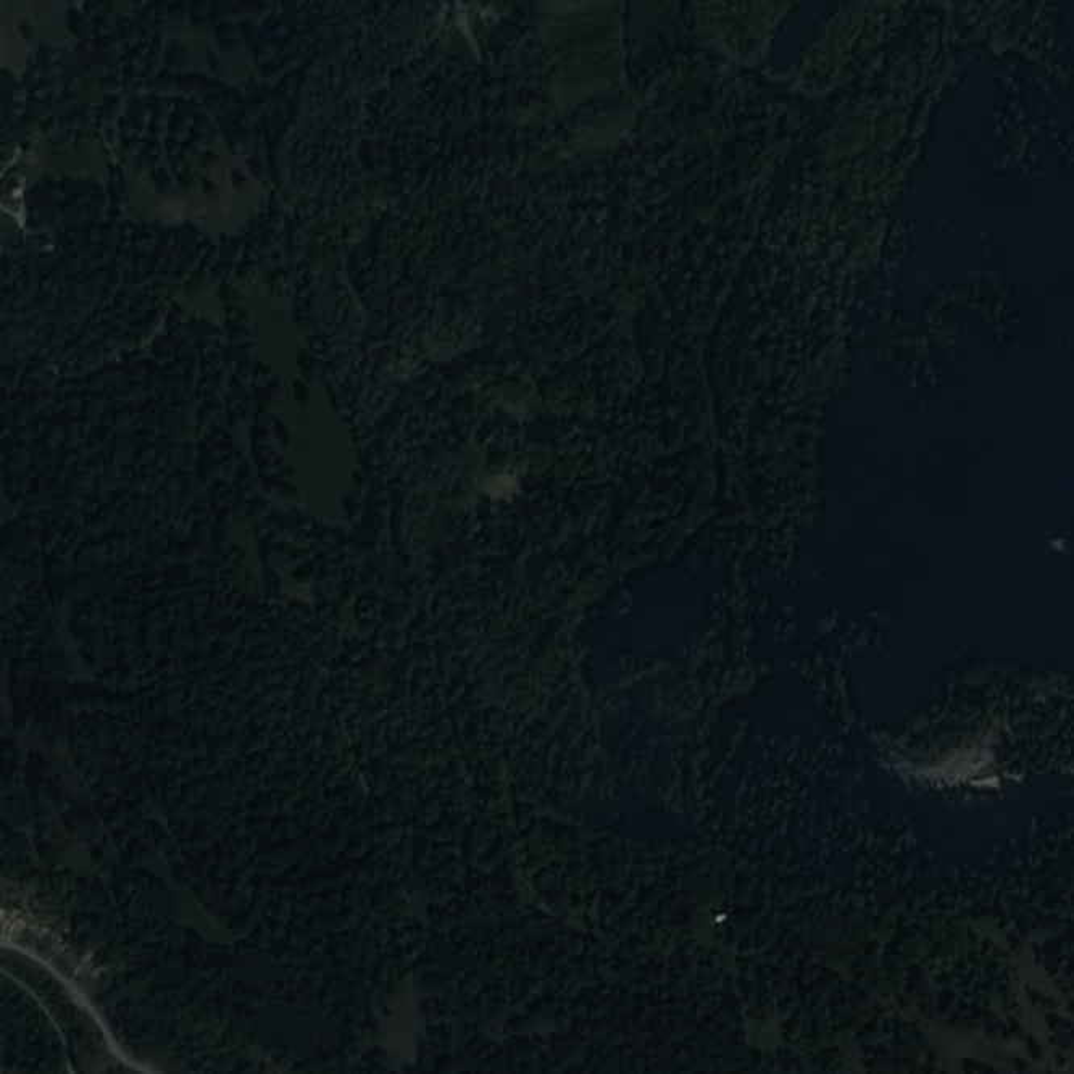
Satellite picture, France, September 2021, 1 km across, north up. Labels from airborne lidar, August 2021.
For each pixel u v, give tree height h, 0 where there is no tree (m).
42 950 8
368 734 10
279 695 21
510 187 33
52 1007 9
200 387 14
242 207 0
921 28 20
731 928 8
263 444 20
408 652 11
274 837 13
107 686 15
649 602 12
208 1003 16
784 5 17
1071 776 0
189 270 16
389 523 10
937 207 13
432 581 17
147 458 26
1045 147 13
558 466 18
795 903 14
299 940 20
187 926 0
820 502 18
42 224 13
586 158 7
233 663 14
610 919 14
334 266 14
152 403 15
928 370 19
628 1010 15
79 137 8
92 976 0
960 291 21
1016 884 20
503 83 21
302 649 21
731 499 13
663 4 6
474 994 15
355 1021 13
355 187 32
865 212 13
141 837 16
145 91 13
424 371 24
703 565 19
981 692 23
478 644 19
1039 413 15
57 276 15
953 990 10
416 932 13
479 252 28
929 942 14
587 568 17
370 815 17
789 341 22
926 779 0
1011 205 22
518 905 24
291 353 0
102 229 19
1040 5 19
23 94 19
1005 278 24
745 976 19
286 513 0
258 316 0
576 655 17
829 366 19
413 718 14
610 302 33
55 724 23
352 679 19
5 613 21
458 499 19
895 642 0
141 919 26
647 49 8
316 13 17
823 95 16
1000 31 13
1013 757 21
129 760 27
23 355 13
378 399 22
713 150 10
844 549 15
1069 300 12
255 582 10
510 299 12
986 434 11
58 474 23
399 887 13
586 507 21
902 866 11
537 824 9
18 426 22
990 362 20
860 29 15
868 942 13
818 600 12
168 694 30
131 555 18
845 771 12
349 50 20
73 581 16
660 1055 21
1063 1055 8
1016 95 12
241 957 7
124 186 10
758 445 18
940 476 15
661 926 18
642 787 9
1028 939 25
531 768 17
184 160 18
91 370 15
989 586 0
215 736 11
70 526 19
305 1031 8
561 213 38
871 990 11
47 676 19
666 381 25
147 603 22
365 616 13
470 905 28
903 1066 9
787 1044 12
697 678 11
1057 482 0
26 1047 8
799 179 12
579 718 26
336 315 27
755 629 11
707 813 10
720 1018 18
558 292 11
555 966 20
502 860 18
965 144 24
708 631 13
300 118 23
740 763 20
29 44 17
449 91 29
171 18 11
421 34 29
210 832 22
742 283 13
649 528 11
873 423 15
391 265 32
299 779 20
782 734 10
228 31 19
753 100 10
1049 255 16
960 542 0
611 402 21
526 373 31
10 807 7
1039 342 17
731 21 21
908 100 18
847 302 26
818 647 19
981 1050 0
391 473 26
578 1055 11
